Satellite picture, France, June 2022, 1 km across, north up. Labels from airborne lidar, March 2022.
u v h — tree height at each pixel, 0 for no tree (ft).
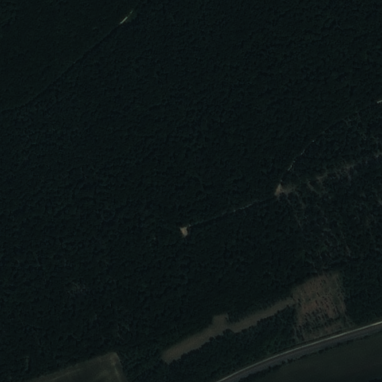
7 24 72
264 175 68
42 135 34
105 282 60
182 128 63
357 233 0
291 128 66
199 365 77
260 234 76
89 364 0
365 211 68
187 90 65
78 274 73
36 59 60
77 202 73
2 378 59
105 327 76
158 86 59
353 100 74
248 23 56
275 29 54
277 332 46
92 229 85
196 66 59
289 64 83
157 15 70
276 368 43
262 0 54
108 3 75
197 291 71
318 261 73
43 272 72
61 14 66
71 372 0
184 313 73
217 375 53
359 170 77
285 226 72
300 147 70
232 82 24
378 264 54
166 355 0
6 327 68
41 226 60
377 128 76
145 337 66
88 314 74
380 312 59
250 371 0
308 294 52
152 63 71
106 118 65
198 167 66
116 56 59
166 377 58
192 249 68
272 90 81
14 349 63
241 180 86
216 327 0
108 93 54
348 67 75
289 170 0
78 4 66
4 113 68
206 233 72
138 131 61
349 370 0
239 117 82
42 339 68
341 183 72
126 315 79
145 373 50
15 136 73
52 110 66
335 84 88
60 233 74
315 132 68
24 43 67
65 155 79
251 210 45
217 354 55
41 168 70
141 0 62
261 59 61
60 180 54
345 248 67
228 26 65
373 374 0
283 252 73
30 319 77
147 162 77
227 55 64
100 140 66
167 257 70
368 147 68
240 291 67
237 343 59
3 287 84
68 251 71
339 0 62
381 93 91
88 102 64
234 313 57
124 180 87
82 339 74
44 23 66
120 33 86
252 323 0
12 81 57
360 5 52
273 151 68
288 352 0
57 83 51
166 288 77
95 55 81
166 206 72
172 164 73
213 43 67
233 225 60
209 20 55
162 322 72
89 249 68
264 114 66
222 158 68
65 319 78
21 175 72
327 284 42
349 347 0
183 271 80
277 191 0
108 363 0
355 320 47
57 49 70
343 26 59
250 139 71
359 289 42
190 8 50
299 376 0
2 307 71
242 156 72
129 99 54
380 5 85
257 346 55
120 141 52
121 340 58
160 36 54
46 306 71
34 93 62
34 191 25
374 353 0
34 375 54
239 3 61
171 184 69
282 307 0
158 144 59
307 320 39
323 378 0
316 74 84
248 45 56
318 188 83
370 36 61
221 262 80
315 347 0
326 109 71
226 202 72
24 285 81
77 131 63
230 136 74
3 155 58
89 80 67
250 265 67
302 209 63
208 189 74
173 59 66
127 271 71
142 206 81
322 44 80
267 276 74
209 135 83
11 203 61
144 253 63
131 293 78
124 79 68
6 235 67
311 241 76
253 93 79
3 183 69
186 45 56
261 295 60
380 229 77
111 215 78
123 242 79
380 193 79
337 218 84
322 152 87
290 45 60
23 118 67
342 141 73
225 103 75
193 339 0
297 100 70
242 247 73
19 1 55
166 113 56
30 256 77
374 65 81
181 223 70
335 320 29
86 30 66
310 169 74
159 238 78
